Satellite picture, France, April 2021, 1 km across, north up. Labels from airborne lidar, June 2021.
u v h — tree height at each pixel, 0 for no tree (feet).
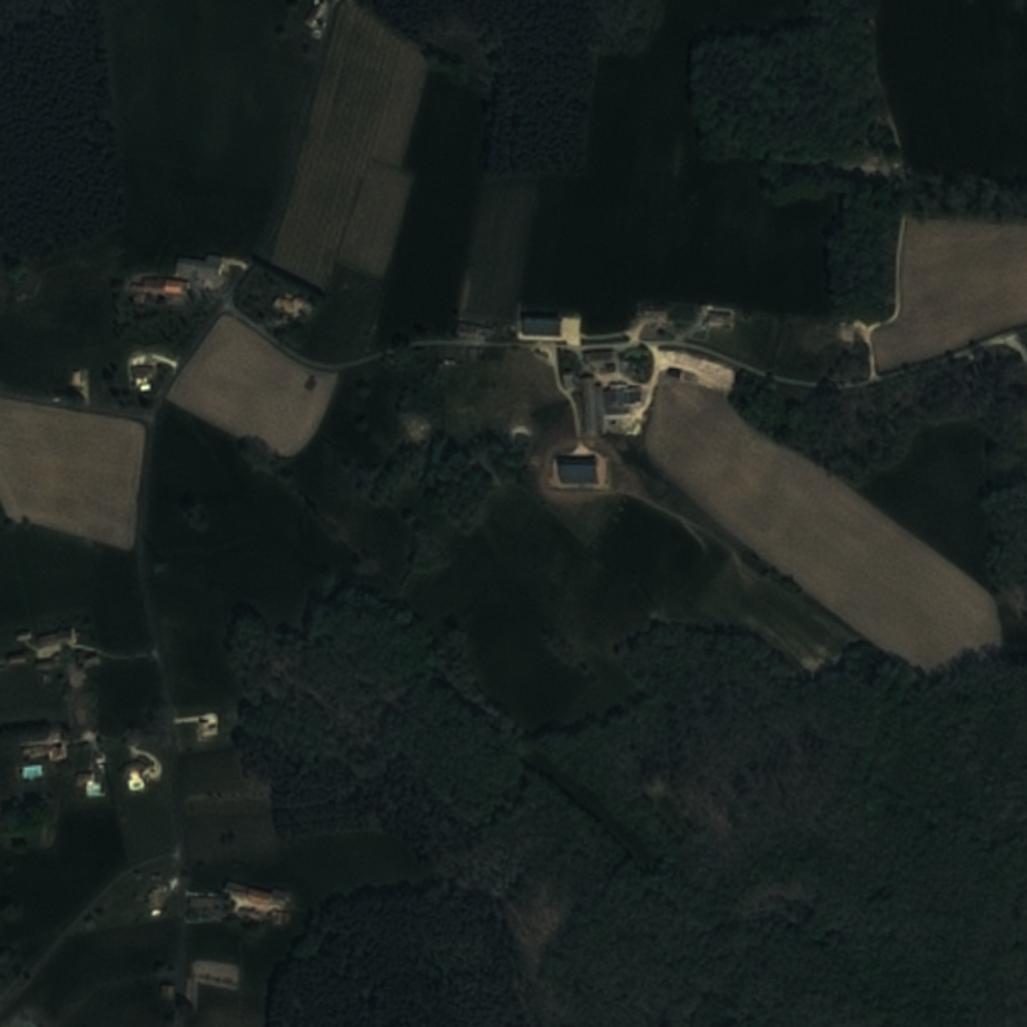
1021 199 81
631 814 53
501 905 41
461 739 68
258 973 0
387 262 0
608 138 0
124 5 0
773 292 0
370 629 80
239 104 0
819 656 0
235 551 0
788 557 0
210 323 0
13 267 55
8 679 0
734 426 0
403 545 0
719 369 0
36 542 0
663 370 0
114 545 0
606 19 60
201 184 0
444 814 40
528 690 0
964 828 60
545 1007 45
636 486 0
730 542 0
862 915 91
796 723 61
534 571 0
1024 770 51
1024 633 0
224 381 0
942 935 83
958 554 0
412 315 0
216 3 0
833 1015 81
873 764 40
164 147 0
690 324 0
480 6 67
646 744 55
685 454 0
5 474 0
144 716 0
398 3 65
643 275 0
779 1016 73
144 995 0
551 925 62
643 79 0
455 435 0
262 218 0
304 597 0
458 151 0
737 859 61
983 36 0
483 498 50
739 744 56
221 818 0
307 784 53
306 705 53
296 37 0
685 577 0
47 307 0
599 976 67
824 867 73
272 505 0
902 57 0
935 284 0
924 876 76
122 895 0
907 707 56
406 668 86
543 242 0
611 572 0
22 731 34
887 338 0
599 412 0
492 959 37
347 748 52
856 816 58
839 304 33
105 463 0
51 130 69
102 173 65
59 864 0
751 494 0
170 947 0
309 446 0
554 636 39
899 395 44
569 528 0
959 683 69
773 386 33
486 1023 48
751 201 0
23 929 0
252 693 62
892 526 0
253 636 66
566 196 0
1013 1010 46
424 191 0
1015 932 64
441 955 38
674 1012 55
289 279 37
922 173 0
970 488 0
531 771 47
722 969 59
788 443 52
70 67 58
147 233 0
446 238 0
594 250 0
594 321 0
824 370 0
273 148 0
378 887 0
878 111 73
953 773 68
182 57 0
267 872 0
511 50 56
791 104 68
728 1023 39
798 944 71
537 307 0
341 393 0
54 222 68
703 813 50
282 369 0
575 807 71
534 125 63
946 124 0
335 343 0
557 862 61
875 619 0
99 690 0
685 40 0
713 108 74
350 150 0
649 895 69
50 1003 0
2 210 65
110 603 0
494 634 0
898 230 33
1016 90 0
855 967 56
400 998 69
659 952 69
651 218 0
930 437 0
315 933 40
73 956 0
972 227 0
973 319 0
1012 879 68
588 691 0
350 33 0
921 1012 72
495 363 0
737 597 0
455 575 0
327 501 0
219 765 0
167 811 0
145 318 28
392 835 47
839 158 78
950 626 0
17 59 63
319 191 0
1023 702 80
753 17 0
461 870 35
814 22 44
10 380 0
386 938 59
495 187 0
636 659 38
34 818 72
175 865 0
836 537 0
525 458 43
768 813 58
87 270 0
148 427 0
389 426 0
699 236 0
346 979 60
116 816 0
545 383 0
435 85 0
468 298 0
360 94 0
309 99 0
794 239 0
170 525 0
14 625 0
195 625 0
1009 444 56
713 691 57
